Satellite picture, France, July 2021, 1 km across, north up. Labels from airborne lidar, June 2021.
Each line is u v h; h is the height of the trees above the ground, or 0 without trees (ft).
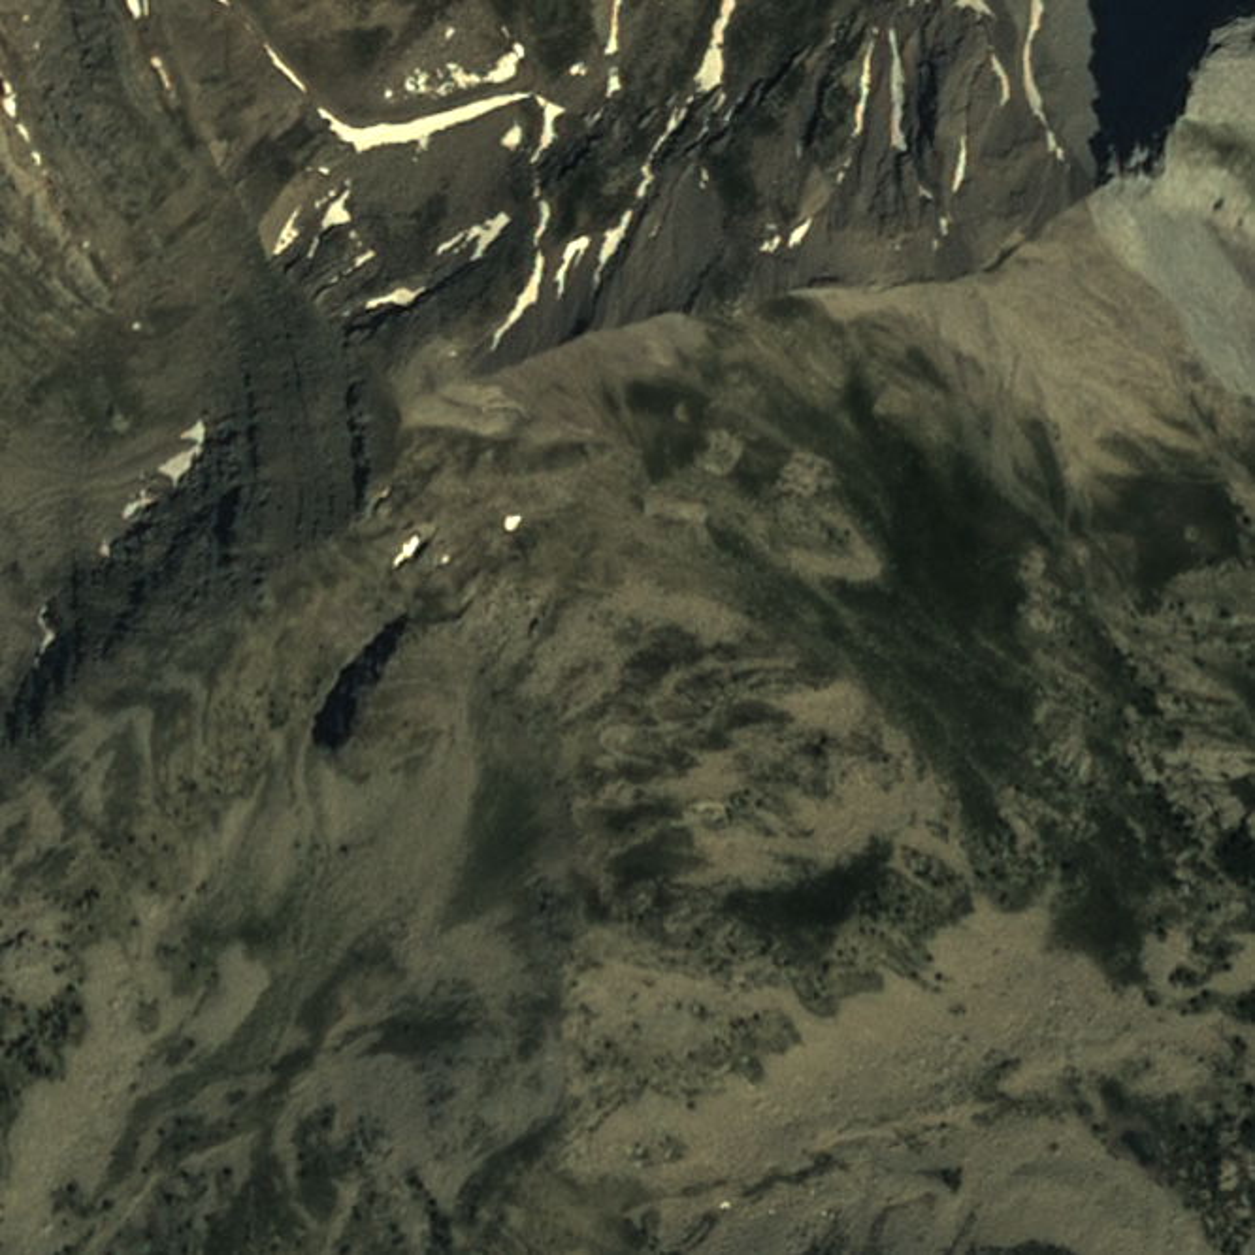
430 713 0
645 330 0
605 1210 0
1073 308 0
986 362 0
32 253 0
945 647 0
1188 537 0
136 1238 0
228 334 0
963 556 0
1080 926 0
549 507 0
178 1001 0
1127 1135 0
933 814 0
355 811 0
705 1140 0
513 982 0
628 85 0
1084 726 0
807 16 0
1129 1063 0
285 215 0
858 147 0
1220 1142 18
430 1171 0
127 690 0
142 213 0
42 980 0
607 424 0
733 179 0
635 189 0
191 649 0
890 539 0
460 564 0
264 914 0
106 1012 0
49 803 0
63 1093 0
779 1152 0
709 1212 0
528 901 0
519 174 0
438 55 0
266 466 0
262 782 0
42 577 0
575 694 0
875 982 0
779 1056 0
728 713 0
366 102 0
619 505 0
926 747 0
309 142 0
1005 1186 0
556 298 0
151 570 0
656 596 0
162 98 0
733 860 0
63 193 0
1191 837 32
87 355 0
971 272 0
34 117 0
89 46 0
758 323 0
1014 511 0
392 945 0
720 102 0
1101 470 0
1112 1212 0
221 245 0
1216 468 0
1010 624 0
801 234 0
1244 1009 31
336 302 0
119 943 0
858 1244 0
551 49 0
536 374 0
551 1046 0
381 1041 0
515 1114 0
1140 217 0
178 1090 0
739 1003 0
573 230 0
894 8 0
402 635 0
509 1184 0
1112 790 0
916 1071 0
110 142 0
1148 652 0
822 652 0
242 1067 0
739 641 0
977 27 0
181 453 0
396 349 0
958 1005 0
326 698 0
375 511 0
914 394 0
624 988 0
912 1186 0
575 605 0
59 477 0
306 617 0
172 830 0
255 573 0
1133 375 0
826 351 0
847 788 0
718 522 0
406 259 0
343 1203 0
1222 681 0
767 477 0
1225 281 0
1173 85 0
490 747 0
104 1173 0
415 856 0
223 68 0
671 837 0
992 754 0
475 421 0
